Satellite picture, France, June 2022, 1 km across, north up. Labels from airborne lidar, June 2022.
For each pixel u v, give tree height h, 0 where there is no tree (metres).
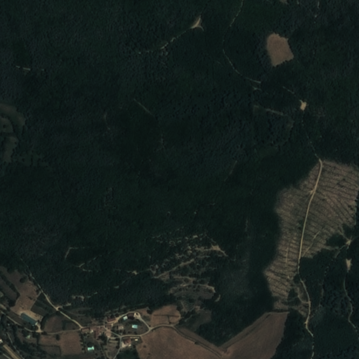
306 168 9
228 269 6
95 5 18
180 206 14
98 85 15
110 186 15
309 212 0
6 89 14
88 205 10
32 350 8
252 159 18
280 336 0
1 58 19
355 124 15
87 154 14
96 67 21
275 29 16
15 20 19
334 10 19
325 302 21
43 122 15
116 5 13
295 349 7
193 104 12
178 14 8
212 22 11
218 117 15
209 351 0
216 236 10
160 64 24
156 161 7
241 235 9
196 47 9
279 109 20
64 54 22
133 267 8
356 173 0
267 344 0
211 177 13
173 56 11
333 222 0
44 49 21
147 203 12
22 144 12
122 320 13
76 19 27
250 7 13
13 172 12
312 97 15
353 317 10
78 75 15
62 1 19
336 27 21
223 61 10
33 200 11
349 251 9
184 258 13
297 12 18
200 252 10
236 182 8
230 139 16
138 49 13
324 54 15
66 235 7
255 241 7
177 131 13
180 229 8
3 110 0
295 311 7
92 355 0
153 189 15
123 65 20
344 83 17
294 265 0
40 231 12
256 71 8
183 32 8
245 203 14
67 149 15
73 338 0
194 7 14
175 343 0
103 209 13
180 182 17
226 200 14
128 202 14
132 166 10
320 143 14
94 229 13
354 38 22
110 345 0
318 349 13
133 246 15
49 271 12
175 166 16
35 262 13
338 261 12
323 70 16
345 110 15
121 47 19
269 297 8
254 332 0
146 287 15
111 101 14
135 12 13
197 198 16
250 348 0
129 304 8
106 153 13
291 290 7
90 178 16
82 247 7
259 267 8
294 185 6
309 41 10
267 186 7
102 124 11
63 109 9
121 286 9
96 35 23
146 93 13
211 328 10
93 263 14
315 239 0
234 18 11
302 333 12
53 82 16
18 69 21
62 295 12
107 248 13
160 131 6
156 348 0
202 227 11
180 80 19
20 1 21
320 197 0
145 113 11
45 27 17
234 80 12
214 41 10
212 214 12
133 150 6
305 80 10
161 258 10
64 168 11
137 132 11
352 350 30
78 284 13
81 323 0
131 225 11
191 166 13
